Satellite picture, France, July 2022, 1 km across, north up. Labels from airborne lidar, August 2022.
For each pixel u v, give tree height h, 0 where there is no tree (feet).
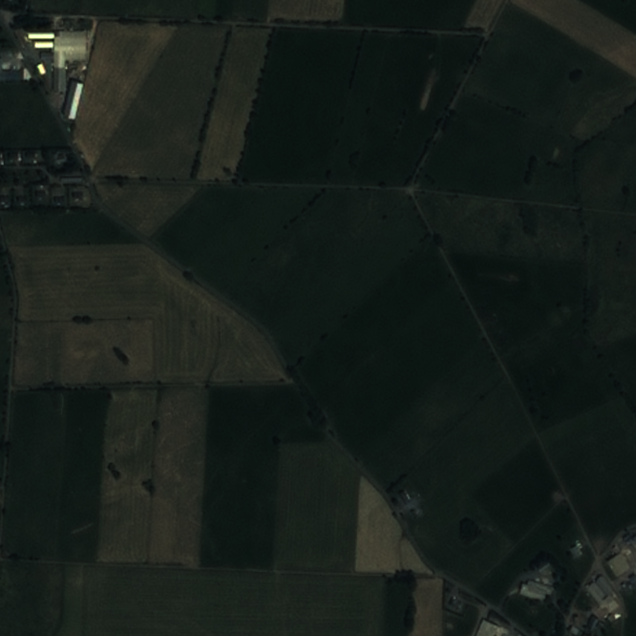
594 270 0
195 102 0
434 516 0
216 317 0
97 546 0
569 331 0
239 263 0
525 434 0
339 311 0
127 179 25
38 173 34
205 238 0
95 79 0
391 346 0
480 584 0
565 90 0
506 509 0
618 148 0
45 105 0
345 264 0
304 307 0
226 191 0
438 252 0
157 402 0
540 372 0
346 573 0
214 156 0
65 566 0
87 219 0
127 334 0
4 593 0
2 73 0
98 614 0
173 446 0
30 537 0
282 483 0
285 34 0
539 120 0
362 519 0
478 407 0
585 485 0
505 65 0
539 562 47
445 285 0
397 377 0
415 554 0
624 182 0
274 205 0
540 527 0
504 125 0
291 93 0
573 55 0
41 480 0
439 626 0
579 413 0
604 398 0
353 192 0
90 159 0
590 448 0
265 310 0
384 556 0
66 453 0
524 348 0
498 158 0
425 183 0
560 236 0
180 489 0
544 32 0
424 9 0
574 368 0
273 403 0
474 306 0
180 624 0
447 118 41
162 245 0
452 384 0
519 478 0
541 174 0
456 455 0
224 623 0
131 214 0
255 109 31
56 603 0
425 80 0
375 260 0
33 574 0
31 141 0
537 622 0
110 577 0
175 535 0
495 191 0
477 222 0
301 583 0
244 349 0
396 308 0
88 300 0
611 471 0
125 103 0
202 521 0
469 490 0
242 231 0
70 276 0
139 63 0
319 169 0
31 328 0
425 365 0
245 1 0
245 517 0
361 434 0
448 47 0
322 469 0
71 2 0
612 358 0
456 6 0
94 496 0
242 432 0
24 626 0
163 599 0
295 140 0
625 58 0
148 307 0
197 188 0
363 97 0
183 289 0
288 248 0
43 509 0
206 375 0
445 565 0
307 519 0
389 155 0
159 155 0
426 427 0
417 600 0
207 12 0
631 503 0
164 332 0
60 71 0
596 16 0
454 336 0
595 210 0
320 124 0
